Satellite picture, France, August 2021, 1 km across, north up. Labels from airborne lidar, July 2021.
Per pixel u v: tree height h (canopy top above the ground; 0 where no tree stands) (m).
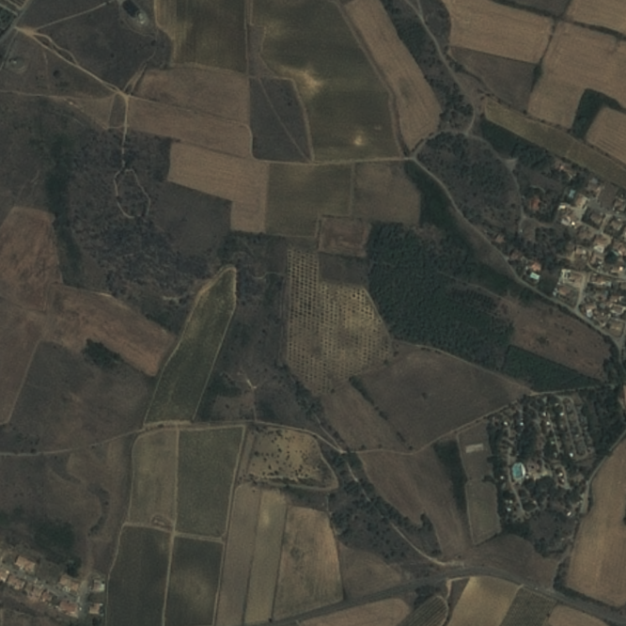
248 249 9
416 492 0
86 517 0
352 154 0
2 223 0
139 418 0
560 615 0
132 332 0
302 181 0
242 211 0
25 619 0
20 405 0
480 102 0
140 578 0
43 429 0
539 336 0
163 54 0
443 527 0
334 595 0
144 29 0
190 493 0
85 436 0
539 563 0
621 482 0
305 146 0
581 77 0
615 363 18
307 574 0
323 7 0
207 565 0
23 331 0
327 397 0
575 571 0
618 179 0
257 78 0
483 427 0
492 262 0
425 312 8
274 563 0
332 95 0
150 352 0
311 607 0
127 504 0
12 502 0
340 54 0
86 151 7
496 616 0
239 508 0
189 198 0
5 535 0
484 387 0
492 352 8
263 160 0
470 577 0
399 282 10
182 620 0
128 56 0
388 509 9
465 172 8
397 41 0
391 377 0
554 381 7
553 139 0
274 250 0
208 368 0
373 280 7
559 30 0
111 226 9
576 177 6
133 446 0
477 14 0
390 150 0
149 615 0
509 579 0
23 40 0
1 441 0
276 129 0
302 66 0
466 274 12
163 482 0
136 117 0
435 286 9
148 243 11
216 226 0
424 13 0
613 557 0
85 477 0
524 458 11
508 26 0
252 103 0
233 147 0
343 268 0
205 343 0
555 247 11
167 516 0
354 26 0
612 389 7
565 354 0
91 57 0
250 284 10
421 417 0
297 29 0
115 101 0
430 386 0
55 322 0
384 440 0
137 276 10
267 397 0
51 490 0
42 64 0
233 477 0
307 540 0
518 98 0
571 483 7
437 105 0
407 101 0
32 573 0
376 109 0
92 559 0
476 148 0
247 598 0
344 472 6
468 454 0
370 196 0
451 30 0
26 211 0
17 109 0
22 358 0
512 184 0
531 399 9
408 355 0
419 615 0
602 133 0
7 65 0
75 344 0
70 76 0
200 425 0
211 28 0
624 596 0
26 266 0
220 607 0
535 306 0
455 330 9
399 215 0
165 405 0
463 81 0
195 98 0
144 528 0
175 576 0
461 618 0
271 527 0
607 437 9
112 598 0
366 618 0
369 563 0
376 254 9
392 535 0
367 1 0
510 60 0
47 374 0
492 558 0
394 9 7
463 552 0
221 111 0
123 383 0
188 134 0
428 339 7
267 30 0
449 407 0
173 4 0
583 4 0
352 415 0
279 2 0
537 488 15
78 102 0
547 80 0
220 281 0
